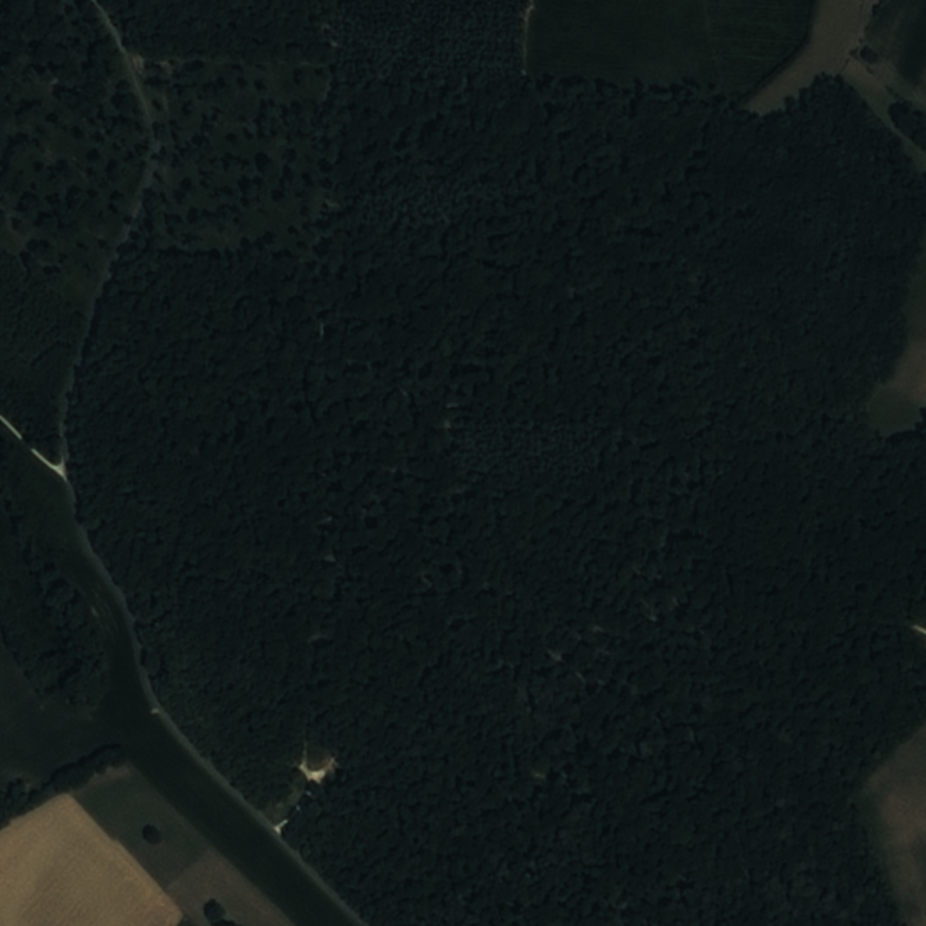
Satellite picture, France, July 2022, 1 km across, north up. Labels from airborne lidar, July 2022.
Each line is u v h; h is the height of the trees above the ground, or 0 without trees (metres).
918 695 20
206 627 23
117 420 27
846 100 24
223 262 27
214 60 20
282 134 24
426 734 26
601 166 23
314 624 28
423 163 30
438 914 24
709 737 27
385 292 28
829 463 24
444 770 24
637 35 0
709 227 22
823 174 21
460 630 24
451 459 24
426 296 26
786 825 27
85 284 0
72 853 0
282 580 24
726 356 20
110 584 0
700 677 27
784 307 22
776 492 27
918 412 0
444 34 21
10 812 19
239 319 22
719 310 26
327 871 15
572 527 22
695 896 23
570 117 26
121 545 21
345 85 23
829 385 24
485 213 22
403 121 27
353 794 14
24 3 28
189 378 26
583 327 23
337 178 31
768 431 17
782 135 24
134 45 21
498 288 22
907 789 0
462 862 25
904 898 0
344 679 26
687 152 25
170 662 17
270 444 27
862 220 20
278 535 28
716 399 20
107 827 0
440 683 24
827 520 22
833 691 23
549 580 24
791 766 30
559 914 26
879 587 30
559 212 25
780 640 28
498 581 25
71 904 0
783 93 0
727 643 25
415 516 27
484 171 24
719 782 32
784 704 27
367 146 13
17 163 26
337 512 32
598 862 20
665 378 17
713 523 28
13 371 15
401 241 24
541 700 23
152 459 25
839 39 0
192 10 26
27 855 0
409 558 26
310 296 29
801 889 27
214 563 28
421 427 26
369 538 29
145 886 0
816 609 26
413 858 23
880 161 28
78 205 27
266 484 29
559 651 22
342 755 21
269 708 20
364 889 21
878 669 18
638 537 28
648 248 26
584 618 29
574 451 27
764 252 24
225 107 20
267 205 21
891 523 32
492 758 22
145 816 0
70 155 0
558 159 23
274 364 24
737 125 21
